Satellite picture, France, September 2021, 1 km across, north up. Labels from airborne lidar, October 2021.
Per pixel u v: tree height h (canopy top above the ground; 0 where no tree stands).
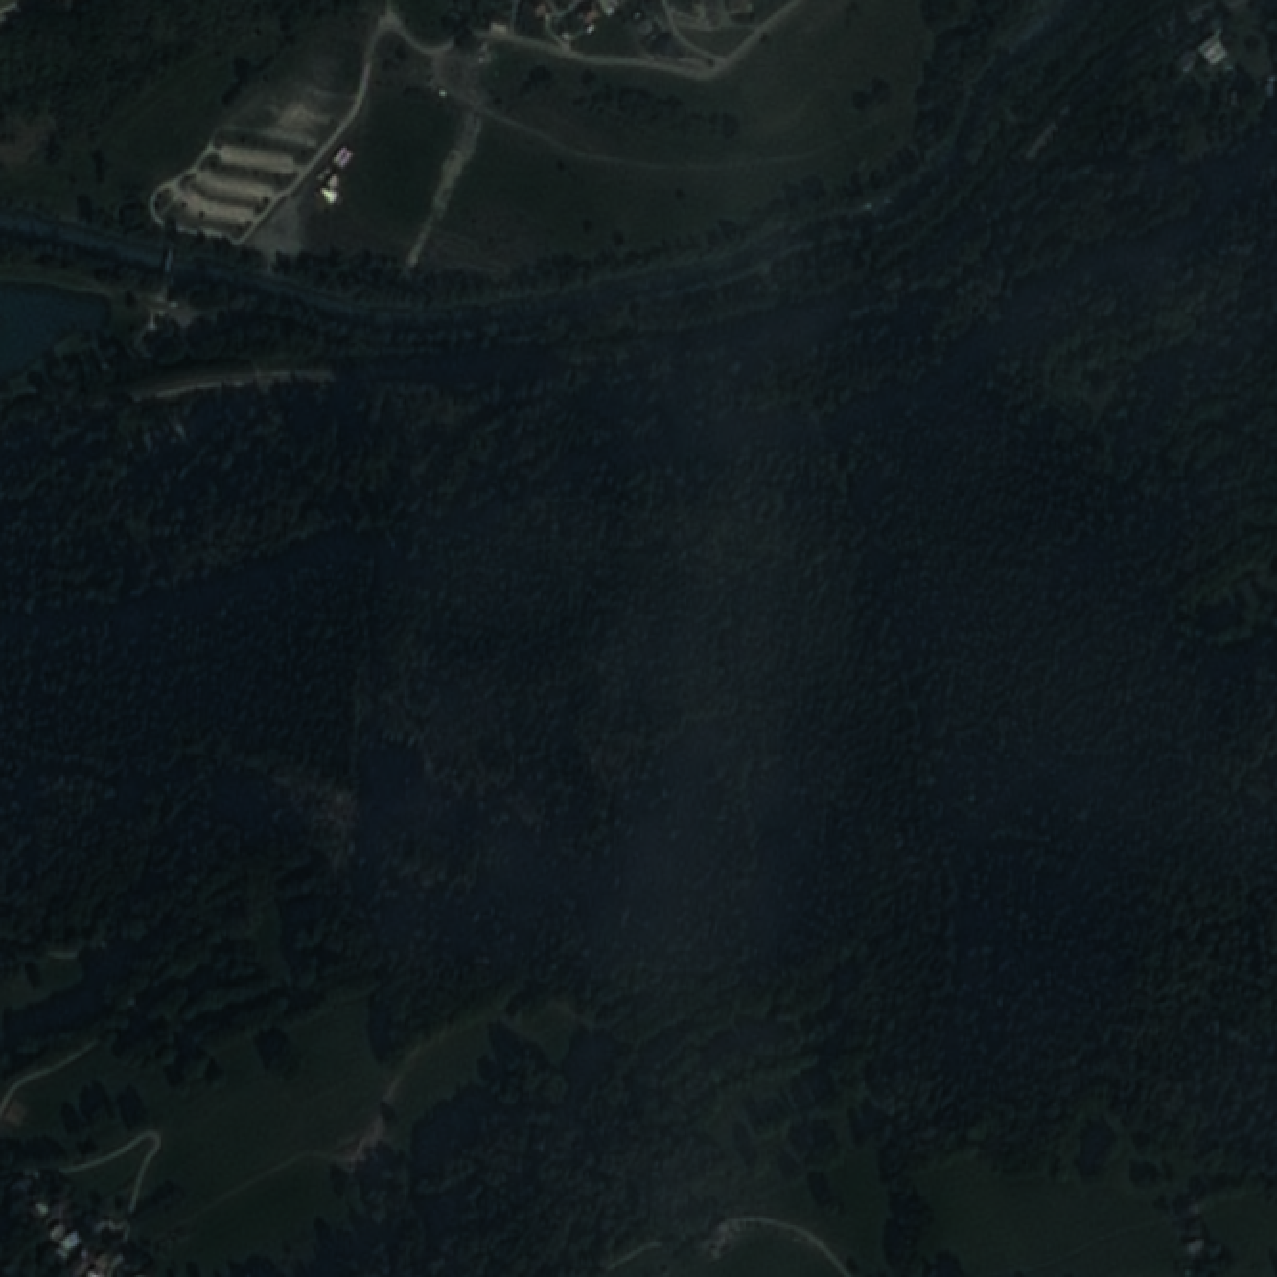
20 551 29
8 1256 17
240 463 20
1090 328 26
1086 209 24
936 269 15
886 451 21
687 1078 17
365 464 24
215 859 28
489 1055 0
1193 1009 22
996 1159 18
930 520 20
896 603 24
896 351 31
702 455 13
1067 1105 16
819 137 0
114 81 17
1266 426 23
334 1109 0
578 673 27
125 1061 15
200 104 0
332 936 23
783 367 28
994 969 31
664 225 0
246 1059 0
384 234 0
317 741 22
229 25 18
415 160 0
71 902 25
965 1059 29
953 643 34
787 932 30
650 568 31
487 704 23
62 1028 9
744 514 15
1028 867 25
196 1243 0
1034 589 27
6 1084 6
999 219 16
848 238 13
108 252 0
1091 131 12
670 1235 16
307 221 0
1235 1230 0
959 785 26
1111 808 24
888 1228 0
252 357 15
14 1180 7
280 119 0
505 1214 24
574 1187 30
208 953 17
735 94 0
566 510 27
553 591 29
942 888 38
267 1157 0
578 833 20
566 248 0
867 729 23
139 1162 0
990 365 24
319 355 15
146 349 0
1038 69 13
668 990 26
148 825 30
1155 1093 20
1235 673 15
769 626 27
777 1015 16
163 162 0
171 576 20
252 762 31
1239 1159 22
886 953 23
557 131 0
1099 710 26
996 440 30
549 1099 17
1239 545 18
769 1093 0
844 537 39
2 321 0
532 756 29
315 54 0
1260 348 28
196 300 18
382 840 24
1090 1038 26
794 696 29
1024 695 28
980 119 17
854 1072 16
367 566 35
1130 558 27
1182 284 29
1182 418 19
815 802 31
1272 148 7
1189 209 19
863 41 0
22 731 28
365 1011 0
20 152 0
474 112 0
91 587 9
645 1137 24
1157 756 25
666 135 0
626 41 0
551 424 25
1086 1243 0
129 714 31
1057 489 32
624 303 16
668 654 30
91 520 30
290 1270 0
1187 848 27
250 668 32
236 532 21
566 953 23
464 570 31
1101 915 35
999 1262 0
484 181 0
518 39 0
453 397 15
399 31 0
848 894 24
